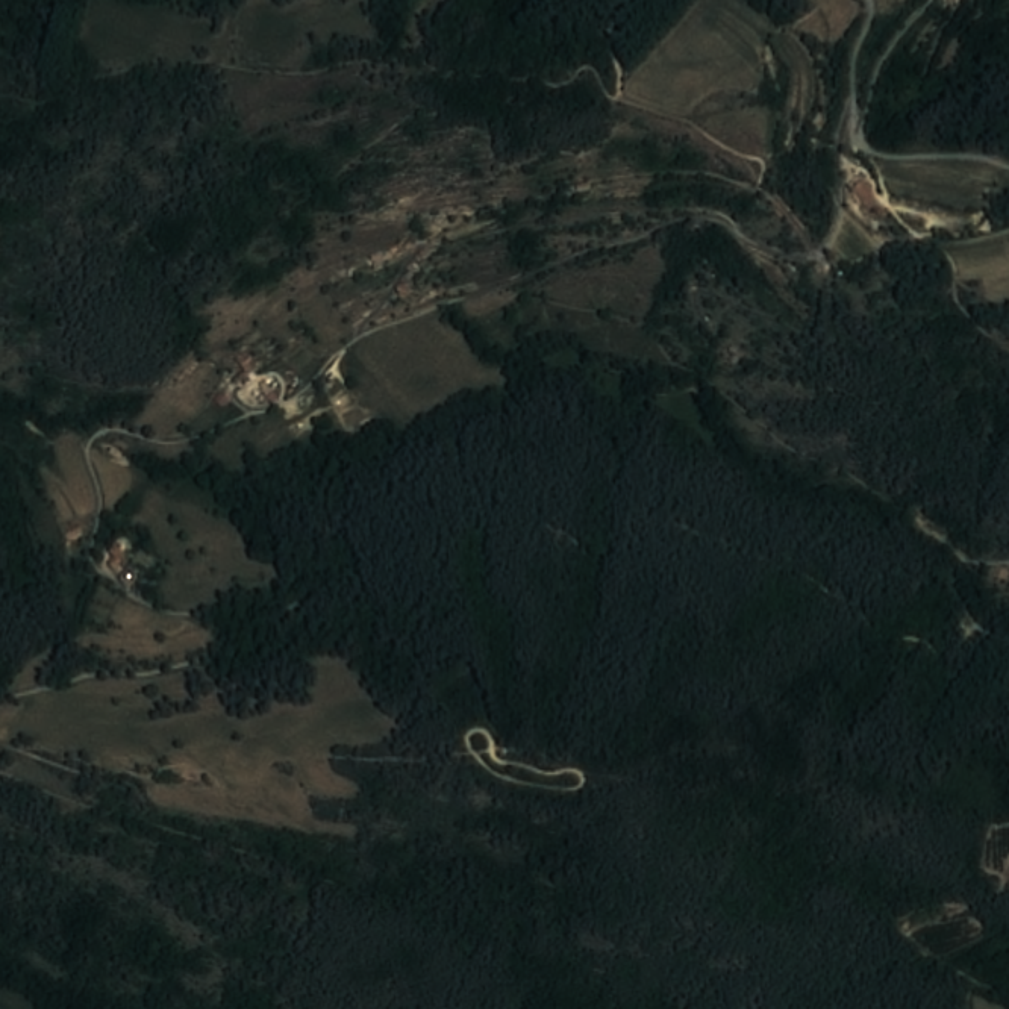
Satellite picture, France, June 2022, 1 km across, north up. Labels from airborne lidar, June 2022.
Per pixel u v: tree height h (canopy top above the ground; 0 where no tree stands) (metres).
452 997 22
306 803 0
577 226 6
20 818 16
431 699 15
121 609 0
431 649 22
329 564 23
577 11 34
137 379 13
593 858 16
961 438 20
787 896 15
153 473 13
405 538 27
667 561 19
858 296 0
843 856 22
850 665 26
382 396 0
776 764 16
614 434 12
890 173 0
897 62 9
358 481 17
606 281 0
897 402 16
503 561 19
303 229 7
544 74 10
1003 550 10
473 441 24
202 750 0
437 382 0
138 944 11
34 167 8
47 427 15
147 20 0
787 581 16
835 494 24
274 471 25
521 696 17
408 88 6
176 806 0
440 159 9
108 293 15
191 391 0
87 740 0
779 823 17
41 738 0
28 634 19
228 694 10
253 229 7
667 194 7
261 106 0
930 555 18
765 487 15
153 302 13
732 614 18
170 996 12
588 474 18
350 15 0
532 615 20
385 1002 20
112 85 6
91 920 16
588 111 14
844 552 17
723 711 18
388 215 0
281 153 12
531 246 10
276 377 0
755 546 21
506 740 7
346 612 21
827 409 15
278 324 0
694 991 10
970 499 10
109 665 18
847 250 0
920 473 12
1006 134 17
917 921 8
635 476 22
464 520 21
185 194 8
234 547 0
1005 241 0
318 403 0
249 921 7
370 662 10
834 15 0
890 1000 18
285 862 16
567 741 13
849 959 19
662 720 14
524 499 20
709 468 16
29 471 9
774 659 18
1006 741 20
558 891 11
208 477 18
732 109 0
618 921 12
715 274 6
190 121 10
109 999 16
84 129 14
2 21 6
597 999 12
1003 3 10
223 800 0
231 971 15
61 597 18
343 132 7
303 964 12
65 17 27
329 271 0
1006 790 6
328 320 0
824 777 6
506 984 15
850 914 21
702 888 15
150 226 15
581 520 17
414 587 22
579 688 20
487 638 12
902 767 25
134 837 7
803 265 5
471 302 0
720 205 8
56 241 8
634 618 14
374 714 0
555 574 17
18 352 0
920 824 14
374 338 0
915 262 22
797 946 16
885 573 24
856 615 18
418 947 20
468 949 13
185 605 0
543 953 21
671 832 16
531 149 19
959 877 8
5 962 20
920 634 11
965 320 7
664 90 0
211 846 17
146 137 14
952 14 13
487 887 17
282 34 0
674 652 14
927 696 18
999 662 23
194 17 6
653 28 28
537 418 19
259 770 0
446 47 14
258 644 11
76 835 14
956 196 0
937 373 15
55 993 20
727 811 17
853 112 0
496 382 0
